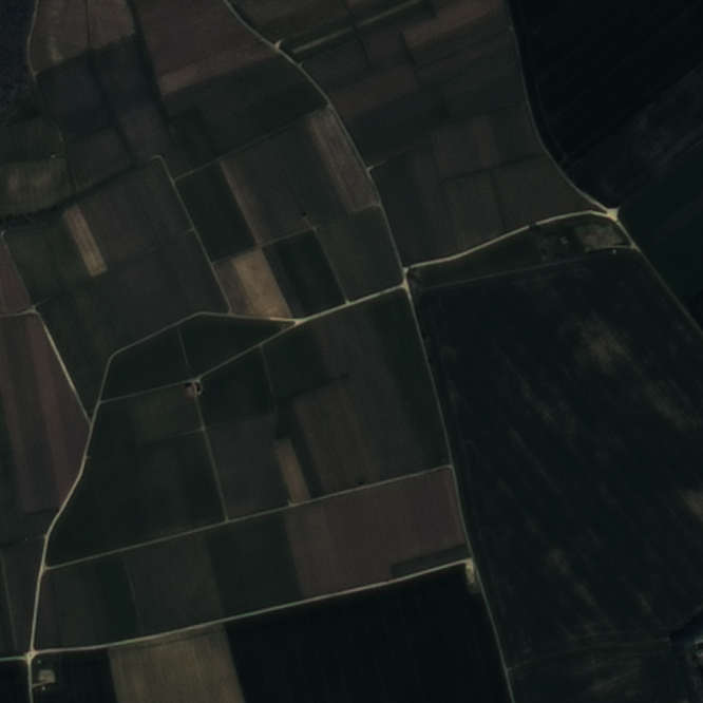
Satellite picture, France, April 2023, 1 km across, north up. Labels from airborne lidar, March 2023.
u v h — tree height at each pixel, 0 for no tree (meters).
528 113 0
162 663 0
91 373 0
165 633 0
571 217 0
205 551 0
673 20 0
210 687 0
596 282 0
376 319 0
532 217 0
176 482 0
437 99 0
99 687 0
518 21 0
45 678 0
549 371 0
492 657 0
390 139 0
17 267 0
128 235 0
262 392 0
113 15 0
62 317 0
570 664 0
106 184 0
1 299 0
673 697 0
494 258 0
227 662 0
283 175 0
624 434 0
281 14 0
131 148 0
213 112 0
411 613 0
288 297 0
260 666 0
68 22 0
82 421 0
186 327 0
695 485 0
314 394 0
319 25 0
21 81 7
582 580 0
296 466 0
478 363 0
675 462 0
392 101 0
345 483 0
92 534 0
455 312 0
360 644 0
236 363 0
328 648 0
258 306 0
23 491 0
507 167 0
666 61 0
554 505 0
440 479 0
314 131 0
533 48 0
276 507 0
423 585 0
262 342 0
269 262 0
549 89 0
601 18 0
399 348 0
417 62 0
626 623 0
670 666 0
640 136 0
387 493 0
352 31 0
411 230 0
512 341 0
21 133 0
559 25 0
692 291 0
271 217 0
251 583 0
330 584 0
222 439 0
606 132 0
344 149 0
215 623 0
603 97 0
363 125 0
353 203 0
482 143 0
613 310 0
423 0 0
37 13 0
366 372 0
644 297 0
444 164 0
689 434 0
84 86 0
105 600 0
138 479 0
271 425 0
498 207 0
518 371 0
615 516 0
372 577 0
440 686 0
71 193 0
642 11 0
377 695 0
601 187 0
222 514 0
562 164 0
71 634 0
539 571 0
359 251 0
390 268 0
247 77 0
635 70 0
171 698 0
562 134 0
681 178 0
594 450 0
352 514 0
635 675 0
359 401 0
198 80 0
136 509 0
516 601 0
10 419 0
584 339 0
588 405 0
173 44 0
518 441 0
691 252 0
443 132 0
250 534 0
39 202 0
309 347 0
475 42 0
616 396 0
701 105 0
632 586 0
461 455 0
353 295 0
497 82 0
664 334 0
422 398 0
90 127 0
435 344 0
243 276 0
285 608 0
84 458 0
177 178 0
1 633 0
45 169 0
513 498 0
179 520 0
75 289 0
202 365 0
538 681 0
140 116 0
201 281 0
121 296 0
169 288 0
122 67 0
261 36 0
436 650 0
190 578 0
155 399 0
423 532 0
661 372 0
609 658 0
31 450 0
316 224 0
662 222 0
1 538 0
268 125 0
